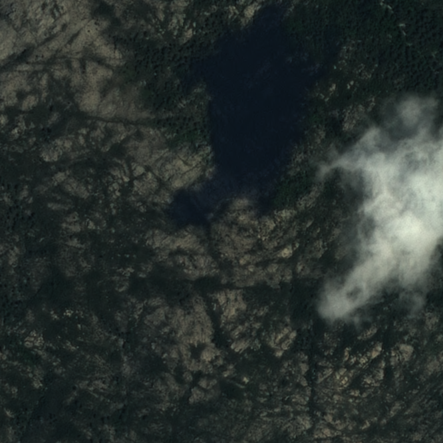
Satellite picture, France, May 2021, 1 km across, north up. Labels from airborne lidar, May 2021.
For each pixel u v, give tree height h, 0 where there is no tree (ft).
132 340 84
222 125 57
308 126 21
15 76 0
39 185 0
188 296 40
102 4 24
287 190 19
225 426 0
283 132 21
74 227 0
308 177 76
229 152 39
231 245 0
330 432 0
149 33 44
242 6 23
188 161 0
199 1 20
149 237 0
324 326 19
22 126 0
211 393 0
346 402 0
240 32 41
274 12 70
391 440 0
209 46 62
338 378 0
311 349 33
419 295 57
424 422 24
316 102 25
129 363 0
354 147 30
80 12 0
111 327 65
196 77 39
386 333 25
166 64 69
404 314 18
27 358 22
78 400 19
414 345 21
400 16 92
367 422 0
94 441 65
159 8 0
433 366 0
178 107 42
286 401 33
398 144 23
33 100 0
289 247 0
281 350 0
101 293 20
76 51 0
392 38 57
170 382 0
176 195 0
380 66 19
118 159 0
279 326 0
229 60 51
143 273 0
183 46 19
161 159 0
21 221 94
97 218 0
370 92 77
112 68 0
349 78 20
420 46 41
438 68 71
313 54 21
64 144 0
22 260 20
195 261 0
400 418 0
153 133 0
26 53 38
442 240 28
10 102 0
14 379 20
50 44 0
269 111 40
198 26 20
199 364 0
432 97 68
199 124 67
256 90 37
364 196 19
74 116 0
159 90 49
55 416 51
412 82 31
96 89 0
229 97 18
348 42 63
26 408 23
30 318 0
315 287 20
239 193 0
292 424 0
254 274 0
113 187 0
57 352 24
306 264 0
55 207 0
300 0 22
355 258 25
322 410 0
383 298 20
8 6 0
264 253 0
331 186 26
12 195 46
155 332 0
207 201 0
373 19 43
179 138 21
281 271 0
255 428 0
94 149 0
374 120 44
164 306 0
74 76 0
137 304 0
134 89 0
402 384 0
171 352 0
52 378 28
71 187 0
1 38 0
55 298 21
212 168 0
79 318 19
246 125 47
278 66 18
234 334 0
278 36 29
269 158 18
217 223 0
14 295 48
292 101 95
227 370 0
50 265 20
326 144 43
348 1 64
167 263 0
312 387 28
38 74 0
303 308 19
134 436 0
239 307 0
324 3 19
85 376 0
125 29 0
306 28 43
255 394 20
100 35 0
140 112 0
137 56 45
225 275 0
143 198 0
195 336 0
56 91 0
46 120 0
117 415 21
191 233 0
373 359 36
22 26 0
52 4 0
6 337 19
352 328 19
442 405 36
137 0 0
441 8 28
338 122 40
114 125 0
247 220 0
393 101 45
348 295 33
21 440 25
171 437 31
